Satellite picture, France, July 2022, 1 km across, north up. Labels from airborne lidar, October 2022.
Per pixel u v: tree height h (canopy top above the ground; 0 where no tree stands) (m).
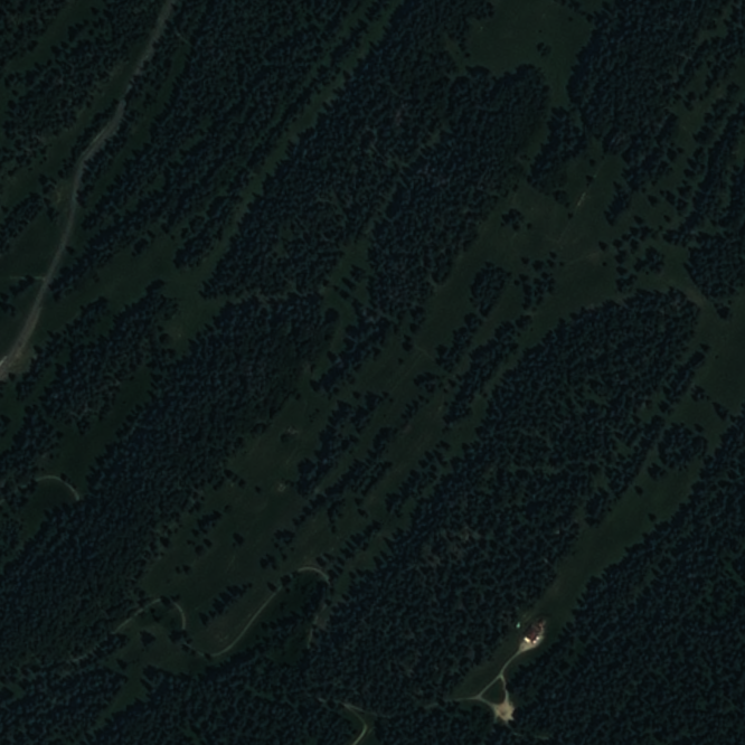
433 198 22
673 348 22
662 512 0
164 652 0
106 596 17
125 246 12
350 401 0
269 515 0
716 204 23
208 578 0
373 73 22
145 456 16
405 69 21
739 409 0
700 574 20
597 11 0
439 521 22
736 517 25
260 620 0
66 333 9
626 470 29
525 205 0
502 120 20
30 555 21
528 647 0
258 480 0
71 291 16
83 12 0
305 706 10
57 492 0
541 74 20
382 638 15
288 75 24
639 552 19
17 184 0
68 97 9
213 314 0
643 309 19
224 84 16
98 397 14
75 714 26
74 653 13
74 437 0
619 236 0
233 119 18
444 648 25
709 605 23
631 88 29
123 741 19
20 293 27
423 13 25
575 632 29
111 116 15
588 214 0
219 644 0
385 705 11
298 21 21
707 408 0
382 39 0
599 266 0
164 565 0
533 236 0
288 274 27
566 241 0
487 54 0
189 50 0
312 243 24
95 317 9
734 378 0
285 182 19
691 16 18
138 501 22
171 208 18
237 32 13
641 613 28
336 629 8
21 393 19
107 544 21
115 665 0
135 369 29
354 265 0
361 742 0
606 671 8
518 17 0
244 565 0
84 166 0
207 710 27
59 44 0
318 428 0
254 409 16
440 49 18
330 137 21
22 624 24
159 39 0
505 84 15
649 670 30
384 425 0
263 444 0
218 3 22
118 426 0
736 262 23
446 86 18
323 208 22
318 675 11
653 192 0
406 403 0
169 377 8
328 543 0
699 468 0
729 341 0
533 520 32
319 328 29
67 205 0
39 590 19
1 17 24
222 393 30
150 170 27
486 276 19
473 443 0
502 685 0
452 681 26
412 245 22
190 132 25
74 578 23
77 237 0
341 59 22
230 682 25
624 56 31
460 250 16
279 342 25
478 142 21
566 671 28
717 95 0
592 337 17
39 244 0
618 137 28
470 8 18
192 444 24
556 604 0
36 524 0
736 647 31
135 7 11
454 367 20
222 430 20
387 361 0
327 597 16
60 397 21
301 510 0
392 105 16
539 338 0
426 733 28
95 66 24
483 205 27
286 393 19
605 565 0
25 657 21
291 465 0
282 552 7
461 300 0
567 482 26
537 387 23
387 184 14
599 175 0
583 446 25
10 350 0
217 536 0
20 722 20
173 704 21
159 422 17
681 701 25
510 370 0
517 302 0
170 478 21
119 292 0
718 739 11
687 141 0
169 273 0
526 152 13
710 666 32
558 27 0
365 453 0
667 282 0
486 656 29
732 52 15
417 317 26
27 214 16
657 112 27
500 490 28
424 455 0
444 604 23
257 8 23
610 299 0
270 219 16
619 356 18
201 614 0
